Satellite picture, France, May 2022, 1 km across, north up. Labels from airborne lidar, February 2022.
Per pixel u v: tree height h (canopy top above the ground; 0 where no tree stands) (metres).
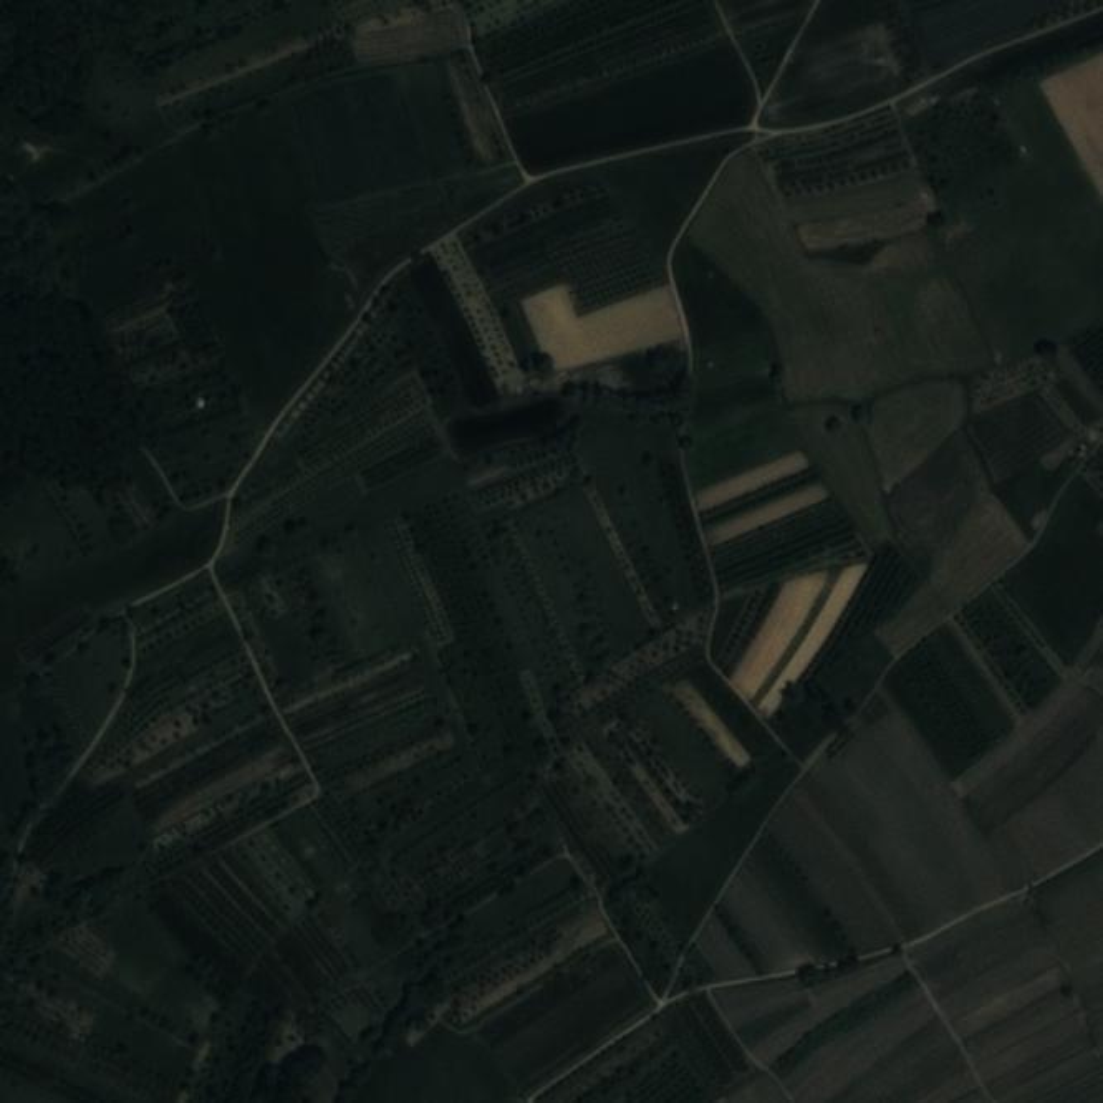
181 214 0
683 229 0
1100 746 0
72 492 11
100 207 0
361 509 0
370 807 0
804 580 0
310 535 0
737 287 0
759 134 0
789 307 0
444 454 0
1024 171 0
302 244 0
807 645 0
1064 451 0
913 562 0
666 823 0
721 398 0
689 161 0
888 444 0
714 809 0
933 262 0
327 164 0
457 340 0
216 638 0
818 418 0
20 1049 0
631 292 0
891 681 0
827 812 0
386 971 0
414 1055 0
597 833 0
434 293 0
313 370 0
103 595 0
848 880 0
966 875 0
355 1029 0
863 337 0
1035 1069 0
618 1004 0
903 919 0
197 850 9
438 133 0
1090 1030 0
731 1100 0
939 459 0
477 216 0
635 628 0
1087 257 0
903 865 0
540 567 0
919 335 0
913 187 0
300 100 0
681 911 0
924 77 0
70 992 0
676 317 0
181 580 0
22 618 0
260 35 0
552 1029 0
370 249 0
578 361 0
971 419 0
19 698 0
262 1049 9
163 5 21
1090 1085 0
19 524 0
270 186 0
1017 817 0
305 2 0
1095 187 0
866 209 0
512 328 0
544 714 0
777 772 0
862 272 0
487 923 0
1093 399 0
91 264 0
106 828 0
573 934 0
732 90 0
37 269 27
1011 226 0
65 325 31
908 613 0
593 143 0
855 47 0
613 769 0
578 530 0
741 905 0
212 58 0
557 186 0
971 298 0
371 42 0
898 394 0
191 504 9
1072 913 0
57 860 0
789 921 0
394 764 0
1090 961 0
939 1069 0
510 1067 0
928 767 0
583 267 0
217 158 0
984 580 0
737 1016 0
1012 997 0
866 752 0
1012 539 0
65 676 0
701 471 0
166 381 0
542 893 0
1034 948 0
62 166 0
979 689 0
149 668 0
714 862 0
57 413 31
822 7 0
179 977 0
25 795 0
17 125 0
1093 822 0
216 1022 9
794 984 0
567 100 0
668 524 0
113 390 29
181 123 0
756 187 0
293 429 0
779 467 0
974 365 0
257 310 0
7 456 29
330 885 0
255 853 0
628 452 0
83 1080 0
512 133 0
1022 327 0
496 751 0
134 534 10
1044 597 0
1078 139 0
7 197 27
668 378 0
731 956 0
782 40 0
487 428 0
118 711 0
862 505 0
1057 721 0
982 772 0
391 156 0
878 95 0
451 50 0
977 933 0
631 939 8
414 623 0
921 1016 0
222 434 0
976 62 0
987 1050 0
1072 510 0
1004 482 0
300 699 0
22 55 33
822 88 0
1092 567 0
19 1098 0
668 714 0
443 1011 0
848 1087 0
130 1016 6
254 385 0
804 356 0
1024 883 0
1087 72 0
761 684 0
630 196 0
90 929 0
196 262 0
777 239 0
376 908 0
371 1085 0
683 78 0
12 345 31
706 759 0
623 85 0
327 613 6
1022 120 0
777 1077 0
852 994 0
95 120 0
